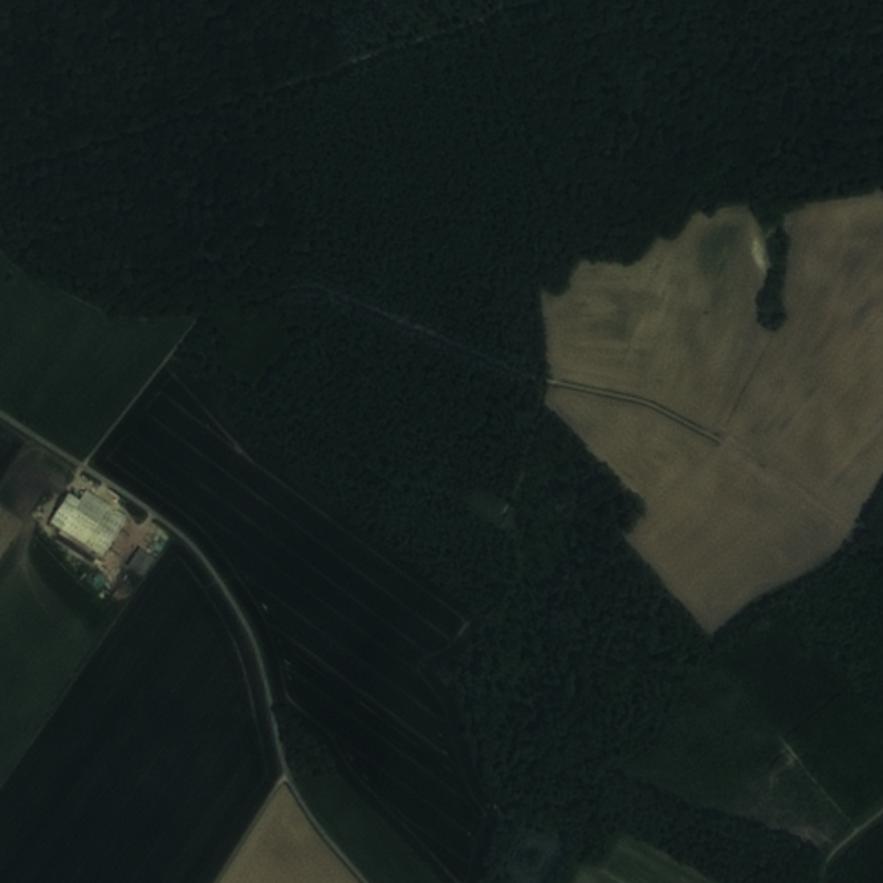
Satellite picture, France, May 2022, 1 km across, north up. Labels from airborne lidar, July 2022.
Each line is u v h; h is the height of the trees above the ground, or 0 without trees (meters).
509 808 17
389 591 0
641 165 27
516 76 14
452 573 16
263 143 33
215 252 30
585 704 29
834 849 0
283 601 0
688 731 0
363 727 0
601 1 24
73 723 0
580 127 25
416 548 17
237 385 14
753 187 26
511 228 19
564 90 29
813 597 13
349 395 22
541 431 24
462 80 17
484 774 18
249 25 26
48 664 0
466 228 18
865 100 31
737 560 0
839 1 21
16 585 0
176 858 0
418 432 16
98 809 0
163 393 0
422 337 22
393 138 20
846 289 0
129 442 0
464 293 19
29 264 24
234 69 32
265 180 34
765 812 0
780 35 27
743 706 0
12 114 33
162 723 0
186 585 0
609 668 27
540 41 27
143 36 31
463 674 22
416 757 0
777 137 31
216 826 0
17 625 0
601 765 18
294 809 0
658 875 0
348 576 0
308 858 0
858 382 0
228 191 31
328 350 22
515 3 14
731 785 0
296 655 0
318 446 21
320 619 0
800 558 0
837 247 0
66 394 0
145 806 0
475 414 22
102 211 32
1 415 0
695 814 24
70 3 30
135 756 0
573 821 26
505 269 20
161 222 29
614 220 25
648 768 0
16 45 32
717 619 0
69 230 29
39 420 0
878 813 0
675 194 29
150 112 30
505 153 19
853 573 13
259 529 0
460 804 0
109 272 28
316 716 0
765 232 0
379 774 0
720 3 27
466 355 23
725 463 0
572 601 26
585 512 27
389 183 19
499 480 13
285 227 29
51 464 0
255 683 0
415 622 0
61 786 0
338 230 18
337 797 0
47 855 0
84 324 0
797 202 24
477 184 17
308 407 22
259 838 0
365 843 0
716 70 24
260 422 20
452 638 0
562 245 24
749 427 0
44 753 0
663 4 27
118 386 0
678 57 22
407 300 20
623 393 0
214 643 0
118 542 0
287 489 0
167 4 31
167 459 0
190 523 0
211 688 0
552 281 19
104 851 0
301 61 28
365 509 16
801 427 0
